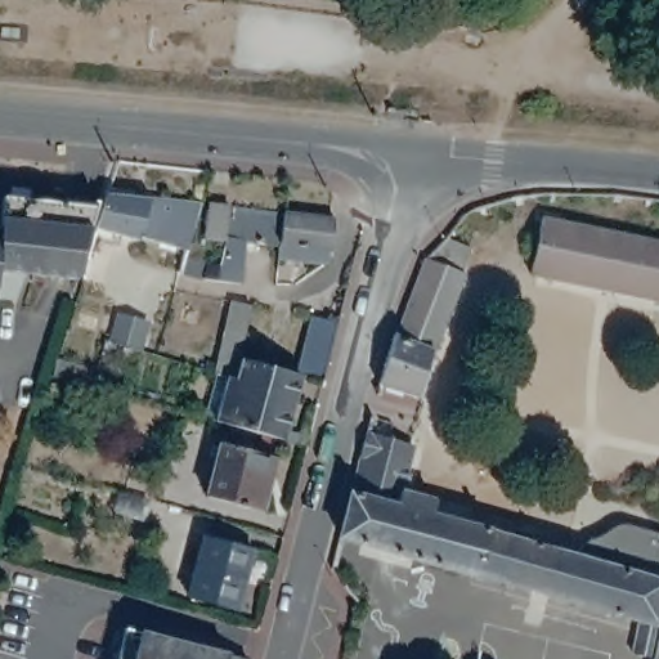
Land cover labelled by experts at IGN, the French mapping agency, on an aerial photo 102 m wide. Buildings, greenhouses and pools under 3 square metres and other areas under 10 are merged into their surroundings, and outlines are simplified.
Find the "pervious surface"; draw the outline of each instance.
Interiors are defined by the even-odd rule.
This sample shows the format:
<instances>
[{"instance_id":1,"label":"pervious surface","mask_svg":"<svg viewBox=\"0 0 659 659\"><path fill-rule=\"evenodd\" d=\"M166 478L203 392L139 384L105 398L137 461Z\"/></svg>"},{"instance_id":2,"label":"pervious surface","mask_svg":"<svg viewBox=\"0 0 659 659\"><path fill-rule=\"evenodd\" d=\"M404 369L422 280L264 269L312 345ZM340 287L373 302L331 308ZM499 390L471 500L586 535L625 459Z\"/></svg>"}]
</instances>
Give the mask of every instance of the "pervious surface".
<instances>
[{"instance_id":1,"label":"pervious surface","mask_svg":"<svg viewBox=\"0 0 659 659\"><path fill-rule=\"evenodd\" d=\"M265 72L242 70L232 62L237 51L239 15L247 5L327 18L342 15L342 0L0 0L0 23L15 21L28 26L26 44L3 44L5 57L75 64L88 62L118 67L206 75L209 80L219 82L255 82L265 80Z\"/></svg>"},{"instance_id":2,"label":"pervious surface","mask_svg":"<svg viewBox=\"0 0 659 659\"><path fill-rule=\"evenodd\" d=\"M39 80L0 80L0 98L502 144L505 126L515 108L515 98L533 88L546 88L556 93L566 106L584 103L628 111L636 103L641 116L659 121L659 100L644 88L618 85L610 75L610 62L597 59L589 51L589 36L584 26L597 18L600 0L561 0L538 23L520 26L512 31L474 31L469 26L456 26L443 28L432 41L409 46L404 51L386 51L371 44L368 49L373 62L366 64L366 75L360 75L358 80L363 85L386 85L394 93L404 88L435 90L443 88L448 80L471 93L489 90L497 95L497 111L484 124L404 121L399 108L386 106L376 106L376 113L368 113L363 106L340 103L304 106L278 103L268 98L201 98L175 90L139 93L111 85L77 80L72 85L49 85Z\"/></svg>"}]
</instances>

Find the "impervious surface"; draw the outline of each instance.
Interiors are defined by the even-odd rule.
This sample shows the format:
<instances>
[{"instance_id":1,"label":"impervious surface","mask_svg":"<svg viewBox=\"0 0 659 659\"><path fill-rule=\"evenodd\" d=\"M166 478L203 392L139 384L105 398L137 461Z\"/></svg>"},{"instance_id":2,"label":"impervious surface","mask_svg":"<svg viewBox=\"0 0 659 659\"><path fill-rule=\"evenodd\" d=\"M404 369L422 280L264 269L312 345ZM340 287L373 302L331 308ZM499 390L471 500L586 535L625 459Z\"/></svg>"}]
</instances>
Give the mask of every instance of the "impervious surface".
<instances>
[{"instance_id":1,"label":"impervious surface","mask_svg":"<svg viewBox=\"0 0 659 659\"><path fill-rule=\"evenodd\" d=\"M340 80L355 64L366 64L373 62L368 49L371 44L360 41L353 21L342 15L327 18L247 5L239 15L237 51L232 62L242 70L265 72L301 70L309 75L327 75Z\"/></svg>"},{"instance_id":2,"label":"impervious surface","mask_svg":"<svg viewBox=\"0 0 659 659\"><path fill-rule=\"evenodd\" d=\"M129 412L136 422L136 430L147 432L157 417L162 417L162 412L160 407L147 407L136 402L129 407Z\"/></svg>"},{"instance_id":3,"label":"impervious surface","mask_svg":"<svg viewBox=\"0 0 659 659\"><path fill-rule=\"evenodd\" d=\"M314 311L330 306L337 291L342 260L337 257L337 252L327 252L317 265L301 265L299 260L286 260L281 265L283 239L257 239L247 245L245 281L206 278L203 265L190 263L190 250L185 250L183 255L167 255L157 247L147 247L144 242L131 242L129 234L95 229L88 250L85 273L59 275L41 270L5 270L0 281L0 404L5 409L10 409L15 402L21 407L28 407L28 386L31 378L41 371L59 306L64 299L77 304L82 299L82 286L88 281L100 286L103 293L116 304L111 314L139 317L144 311L147 335L142 345L134 348L144 353L144 348L152 348L157 337L154 311L165 304L165 293L170 288L224 296L224 306L229 309L232 304L250 306L255 306L263 314L270 314L273 306L278 309L288 301L306 304Z\"/></svg>"},{"instance_id":4,"label":"impervious surface","mask_svg":"<svg viewBox=\"0 0 659 659\"><path fill-rule=\"evenodd\" d=\"M229 172L234 183L245 183L250 178L275 180L291 175L317 180L319 185L324 185L327 198L322 203L332 209L332 216L342 216L345 224L360 227L360 234L360 247L350 270L340 319L327 376L322 384L309 381L301 386L306 399L301 399L296 435L288 435L288 443L263 440L260 435L242 432L229 425L216 425L206 432L203 427L196 422L185 422L185 453L183 458L172 461L172 479L165 481L165 494L160 497L160 502L170 507L170 515L178 515L180 510L185 510L185 505L196 505L201 510L234 517L283 530L278 574L275 582L270 582L263 620L257 626L232 626L229 631L219 631L209 620L198 620L162 608L126 597L118 600L111 597L106 587L49 574L36 571L36 577L18 577L13 589L0 592L0 659L116 659L118 638L126 633L126 626L216 646L245 659L638 659L636 651L631 651L631 644L636 638L633 631L638 623L631 620L628 613L610 610L600 602L589 602L574 595L533 589L528 595L525 589L474 587L471 577L448 571L448 561L438 561L432 556L399 553L394 548L376 543L363 543L360 551L353 543L340 546L342 517L350 492L368 492L399 499L404 489L417 489L438 497L440 510L445 512L566 548L574 546L574 541L592 541L597 535L605 535L618 525L633 525L659 533L659 523L644 520L646 510L638 505L595 499L592 489L597 479L618 479L631 463L649 466L659 458L659 384L646 391L631 389L610 358L618 355L620 348L633 337L644 337L651 330L656 330L659 335L659 301L613 291L605 291L600 299L592 301L564 291L543 291L535 288L535 275L530 270L525 268L525 260L517 250L517 239L499 239L497 234L476 232L469 245L469 283L458 299L450 332L440 337L430 366L425 366L425 371L432 376L427 396L417 402L407 396L391 396L381 386L381 378L386 371L391 340L402 327L425 260L448 265L450 257L438 255L438 247L448 239L448 234L469 211L515 196L615 193L636 198L659 198L659 157L502 144L0 98L0 198L8 201L8 196L28 196L93 203L100 201L106 193L106 183L111 178L106 178L106 165L118 160L198 170L214 172ZM559 448L559 440L569 432L571 443L579 448L589 469L587 492L571 512L551 512L541 505L510 499L502 492L499 481L489 474L489 469L479 463L456 461L435 432L435 427L445 422L453 409L461 409L461 391L466 389L466 363L471 360L466 353L469 340L487 332L492 324L484 314L484 304L489 301L489 296L517 293L523 293L523 299L533 304L530 340L535 348L533 373L528 384L517 389L515 396L517 412L525 414L525 435L520 448L528 458L538 453L553 453ZM381 438L412 438L412 469L420 471L414 479L396 479L394 487L381 487L355 471L363 456L371 422L376 422L376 435ZM283 484L275 479L273 494L265 499L263 507L211 497L203 494L203 489L211 479L211 466L219 443L245 445L263 456L278 456L291 461L293 448L301 445L304 461L299 469L291 507L283 507ZM368 587L368 615L363 620L353 618L355 600L348 595L348 584L342 584L337 577L342 569L350 566L358 577L363 577Z\"/></svg>"},{"instance_id":5,"label":"impervious surface","mask_svg":"<svg viewBox=\"0 0 659 659\"><path fill-rule=\"evenodd\" d=\"M0 23L0 41L3 44L26 44L28 26L15 21Z\"/></svg>"}]
</instances>

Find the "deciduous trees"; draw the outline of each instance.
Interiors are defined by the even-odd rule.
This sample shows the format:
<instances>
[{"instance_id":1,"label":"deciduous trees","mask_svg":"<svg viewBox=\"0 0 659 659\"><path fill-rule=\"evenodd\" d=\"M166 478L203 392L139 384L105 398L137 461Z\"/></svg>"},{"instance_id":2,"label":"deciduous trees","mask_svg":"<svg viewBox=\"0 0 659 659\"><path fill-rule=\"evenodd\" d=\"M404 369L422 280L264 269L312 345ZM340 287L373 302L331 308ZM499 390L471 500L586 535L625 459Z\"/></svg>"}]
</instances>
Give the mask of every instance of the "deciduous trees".
<instances>
[{"instance_id":1,"label":"deciduous trees","mask_svg":"<svg viewBox=\"0 0 659 659\"><path fill-rule=\"evenodd\" d=\"M659 384L659 335L656 330L651 330L644 337L633 337L620 348L618 355L610 358L631 389L646 391Z\"/></svg>"},{"instance_id":2,"label":"deciduous trees","mask_svg":"<svg viewBox=\"0 0 659 659\"><path fill-rule=\"evenodd\" d=\"M556 93L546 88L533 88L515 98L515 108L520 113L533 113L556 121L556 108L566 106Z\"/></svg>"},{"instance_id":3,"label":"deciduous trees","mask_svg":"<svg viewBox=\"0 0 659 659\"><path fill-rule=\"evenodd\" d=\"M10 561L15 566L36 571L49 574L54 561L44 559L41 543L33 535Z\"/></svg>"},{"instance_id":4,"label":"deciduous trees","mask_svg":"<svg viewBox=\"0 0 659 659\"><path fill-rule=\"evenodd\" d=\"M291 188L299 185L291 175L275 180L273 196L278 206L293 201Z\"/></svg>"},{"instance_id":5,"label":"deciduous trees","mask_svg":"<svg viewBox=\"0 0 659 659\"><path fill-rule=\"evenodd\" d=\"M209 384L219 381L214 366L209 363L209 358L196 360L185 355L172 355L172 360L167 360L165 386L157 386L157 368L149 366L147 371L139 371L139 358L121 353L111 371L124 378L121 384L59 389L57 360L62 360L67 350L62 342L77 314L77 304L64 299L59 306L41 371L31 378L28 386L28 407L21 407L15 402L10 409L5 409L0 404L0 456L8 458L10 445L18 445L28 450L39 440L51 448L77 448L82 453L100 453L103 461L129 466L129 474L134 479L147 481L144 492L147 502L160 502L160 497L165 494L165 481L172 479L172 461L183 458L185 453L185 422L196 422L203 427L211 414L211 407L203 404L203 391ZM129 412L129 407L136 402L147 407L160 407L162 412L162 417L157 417L147 432L136 430L136 422Z\"/></svg>"},{"instance_id":6,"label":"deciduous trees","mask_svg":"<svg viewBox=\"0 0 659 659\"><path fill-rule=\"evenodd\" d=\"M355 600L353 618L363 620L368 615L368 587L363 577L358 577L350 566L342 569L337 577L342 584L348 584L348 595Z\"/></svg>"},{"instance_id":7,"label":"deciduous trees","mask_svg":"<svg viewBox=\"0 0 659 659\"><path fill-rule=\"evenodd\" d=\"M139 564L131 574L126 597L162 608L172 592L167 569L160 559L160 546L165 543L162 525L152 530L147 538L131 538L131 548L139 551Z\"/></svg>"},{"instance_id":8,"label":"deciduous trees","mask_svg":"<svg viewBox=\"0 0 659 659\"><path fill-rule=\"evenodd\" d=\"M59 461L46 461L49 476L70 484L85 484L85 476L72 471L70 466Z\"/></svg>"},{"instance_id":9,"label":"deciduous trees","mask_svg":"<svg viewBox=\"0 0 659 659\"><path fill-rule=\"evenodd\" d=\"M404 51L409 46L432 41L443 28L456 26L469 26L474 31L512 31L520 26L538 23L561 0L342 0L342 15L353 21L360 41L371 44L386 51Z\"/></svg>"},{"instance_id":10,"label":"deciduous trees","mask_svg":"<svg viewBox=\"0 0 659 659\"><path fill-rule=\"evenodd\" d=\"M569 432L559 440L559 448L553 453L538 453L528 458L520 448L525 435L525 414L517 412L515 396L517 389L528 384L533 373L535 348L530 340L533 304L523 299L523 293L517 293L489 296L489 301L484 304L484 314L492 324L487 332L469 340L466 353L471 360L466 363L466 389L461 391L461 409L453 409L445 422L435 427L435 432L456 461L479 463L489 469L489 474L499 481L502 492L510 499L541 505L551 512L571 512L587 492L589 469L579 448L571 443Z\"/></svg>"},{"instance_id":11,"label":"deciduous trees","mask_svg":"<svg viewBox=\"0 0 659 659\"><path fill-rule=\"evenodd\" d=\"M198 170L198 175L193 175L193 180L188 183L188 190L196 193L198 185L203 185L203 196L214 193L214 172Z\"/></svg>"},{"instance_id":12,"label":"deciduous trees","mask_svg":"<svg viewBox=\"0 0 659 659\"><path fill-rule=\"evenodd\" d=\"M589 51L597 59L610 62L610 75L618 85L644 88L659 100L659 0L600 0L597 18L584 26L589 36Z\"/></svg>"},{"instance_id":13,"label":"deciduous trees","mask_svg":"<svg viewBox=\"0 0 659 659\"><path fill-rule=\"evenodd\" d=\"M95 530L95 535L111 530L131 535L134 523L116 512L118 499L111 497L108 502L98 502L98 497L67 494L62 499L64 512L82 517L90 512L90 528Z\"/></svg>"}]
</instances>

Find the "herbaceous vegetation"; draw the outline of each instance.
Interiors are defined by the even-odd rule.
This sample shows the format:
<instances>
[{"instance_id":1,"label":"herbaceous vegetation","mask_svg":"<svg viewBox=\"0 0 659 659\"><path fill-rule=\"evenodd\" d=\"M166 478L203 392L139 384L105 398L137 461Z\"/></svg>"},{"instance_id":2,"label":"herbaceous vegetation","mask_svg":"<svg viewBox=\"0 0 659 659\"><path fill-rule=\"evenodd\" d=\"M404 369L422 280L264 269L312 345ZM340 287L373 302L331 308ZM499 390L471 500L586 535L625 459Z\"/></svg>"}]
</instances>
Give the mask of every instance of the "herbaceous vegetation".
<instances>
[{"instance_id":1,"label":"herbaceous vegetation","mask_svg":"<svg viewBox=\"0 0 659 659\"><path fill-rule=\"evenodd\" d=\"M250 330L247 337L234 345L234 353L227 368L221 371L224 376L237 376L242 360L273 363L288 371L299 368L309 335L309 324L304 322L314 317L314 311L306 304L288 301L278 309L273 306L270 314L263 314L255 306L250 306L255 330Z\"/></svg>"},{"instance_id":2,"label":"herbaceous vegetation","mask_svg":"<svg viewBox=\"0 0 659 659\"><path fill-rule=\"evenodd\" d=\"M476 232L497 234L499 239L517 239L517 232L525 227L530 232L530 247L538 250L541 224L546 216L659 239L659 198L636 198L615 193L515 196L469 211L448 234L448 239L469 245Z\"/></svg>"},{"instance_id":3,"label":"herbaceous vegetation","mask_svg":"<svg viewBox=\"0 0 659 659\"><path fill-rule=\"evenodd\" d=\"M3 44L0 41L0 80L39 80L49 85L72 85L77 80L72 77L75 64L5 57Z\"/></svg>"},{"instance_id":4,"label":"herbaceous vegetation","mask_svg":"<svg viewBox=\"0 0 659 659\"><path fill-rule=\"evenodd\" d=\"M36 571L15 566L10 561L5 559L0 564L0 592L13 589L18 577L36 577Z\"/></svg>"},{"instance_id":5,"label":"herbaceous vegetation","mask_svg":"<svg viewBox=\"0 0 659 659\"><path fill-rule=\"evenodd\" d=\"M59 461L70 466L72 471L85 476L85 484L70 484L49 476L46 461ZM67 494L98 497L98 502L108 502L111 497L116 481L144 492L147 481L134 479L129 474L129 466L103 461L100 453L82 453L77 448L51 448L39 440L28 450L21 479L21 505L54 517L62 517L64 512L62 499Z\"/></svg>"},{"instance_id":6,"label":"herbaceous vegetation","mask_svg":"<svg viewBox=\"0 0 659 659\"><path fill-rule=\"evenodd\" d=\"M265 80L255 82L219 82L209 80L206 75L118 67L116 80L111 85L139 93L175 90L201 98L268 98L278 103L304 106L340 103L363 106L368 113L376 113L376 106L386 106L399 108L404 121L484 124L497 111L497 95L489 90L471 93L448 80L443 88L435 90L404 88L394 93L386 85L363 85L358 80L360 75L366 75L366 64L355 64L340 80L327 75L309 75L301 70L265 72Z\"/></svg>"},{"instance_id":7,"label":"herbaceous vegetation","mask_svg":"<svg viewBox=\"0 0 659 659\"><path fill-rule=\"evenodd\" d=\"M533 113L520 113L515 108L505 126L502 144L659 157L659 121L641 116L636 103L628 111L584 103L566 106L556 108L556 121Z\"/></svg>"},{"instance_id":8,"label":"herbaceous vegetation","mask_svg":"<svg viewBox=\"0 0 659 659\"><path fill-rule=\"evenodd\" d=\"M291 175L299 185L291 188L293 201L322 203L327 198L324 185L319 185L317 180Z\"/></svg>"},{"instance_id":9,"label":"herbaceous vegetation","mask_svg":"<svg viewBox=\"0 0 659 659\"><path fill-rule=\"evenodd\" d=\"M152 190L160 183L167 183L167 188L175 193L188 190L188 183L193 180L193 175L198 175L198 170L118 160L106 165L106 178L111 178L106 183L106 193L139 193L144 185Z\"/></svg>"},{"instance_id":10,"label":"herbaceous vegetation","mask_svg":"<svg viewBox=\"0 0 659 659\"><path fill-rule=\"evenodd\" d=\"M203 252L214 245L214 239L206 234L206 227L214 203L234 198L242 203L260 203L268 209L278 206L273 196L275 180L250 178L245 183L234 183L229 172L214 172L214 193L203 196L203 185L198 185L196 193L196 196L203 198L203 206L193 242L185 250L190 250L190 263L203 265Z\"/></svg>"},{"instance_id":11,"label":"herbaceous vegetation","mask_svg":"<svg viewBox=\"0 0 659 659\"><path fill-rule=\"evenodd\" d=\"M18 445L10 445L8 458L0 456L0 499L8 487Z\"/></svg>"},{"instance_id":12,"label":"herbaceous vegetation","mask_svg":"<svg viewBox=\"0 0 659 659\"><path fill-rule=\"evenodd\" d=\"M172 355L185 355L196 360L209 358L209 363L214 366L221 353L229 309L224 306L224 296L170 288L165 293L165 304L154 311L157 337L152 348L144 348L144 353L167 360L172 360Z\"/></svg>"},{"instance_id":13,"label":"herbaceous vegetation","mask_svg":"<svg viewBox=\"0 0 659 659\"><path fill-rule=\"evenodd\" d=\"M95 530L90 528L90 512L82 517L85 535L70 538L51 533L46 528L31 528L33 535L41 543L44 559L54 561L113 577L121 577L124 571L131 574L139 564L139 551L131 548L131 538L147 538L152 530L162 525L165 543L160 546L160 559L167 569L172 592L185 592L185 587L193 579L201 541L206 535L224 538L257 551L263 548L263 543L275 543L275 535L255 530L242 533L232 523L234 517L201 510L196 505L185 505L185 510L180 510L178 515L170 515L170 507L160 502L147 502L154 515L134 523L131 535L111 530L95 535Z\"/></svg>"}]
</instances>

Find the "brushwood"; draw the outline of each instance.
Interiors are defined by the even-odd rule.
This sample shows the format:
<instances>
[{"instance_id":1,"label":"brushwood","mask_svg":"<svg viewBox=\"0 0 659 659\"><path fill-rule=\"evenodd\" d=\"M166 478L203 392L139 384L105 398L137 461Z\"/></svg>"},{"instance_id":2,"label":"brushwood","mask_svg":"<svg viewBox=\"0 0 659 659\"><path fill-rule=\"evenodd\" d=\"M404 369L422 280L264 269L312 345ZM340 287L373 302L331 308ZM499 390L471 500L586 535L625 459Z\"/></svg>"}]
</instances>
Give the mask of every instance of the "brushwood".
<instances>
[{"instance_id":1,"label":"brushwood","mask_svg":"<svg viewBox=\"0 0 659 659\"><path fill-rule=\"evenodd\" d=\"M188 190L175 193L167 188L167 183L160 183L152 190L144 185L139 193L175 201L193 201L196 196L196 193Z\"/></svg>"},{"instance_id":2,"label":"brushwood","mask_svg":"<svg viewBox=\"0 0 659 659\"><path fill-rule=\"evenodd\" d=\"M185 592L172 592L162 608L198 620L209 620L219 631L229 631L232 626L257 626L263 620L270 582L275 582L278 574L283 530L234 517L232 523L242 533L255 530L275 535L275 543L263 543L263 548L257 551L255 561L265 564L265 577L255 584L250 613L206 608L201 605L201 600Z\"/></svg>"},{"instance_id":3,"label":"brushwood","mask_svg":"<svg viewBox=\"0 0 659 659\"><path fill-rule=\"evenodd\" d=\"M618 479L597 479L592 489L595 499L638 505L646 510L644 520L659 523L659 458L649 466L631 463Z\"/></svg>"},{"instance_id":4,"label":"brushwood","mask_svg":"<svg viewBox=\"0 0 659 659\"><path fill-rule=\"evenodd\" d=\"M126 597L131 574L124 571L121 577L113 577L54 561L49 574L106 587L111 597L118 600Z\"/></svg>"},{"instance_id":5,"label":"brushwood","mask_svg":"<svg viewBox=\"0 0 659 659\"><path fill-rule=\"evenodd\" d=\"M275 479L283 484L283 507L291 507L299 469L304 461L301 445L293 448L291 461L278 456Z\"/></svg>"},{"instance_id":6,"label":"brushwood","mask_svg":"<svg viewBox=\"0 0 659 659\"><path fill-rule=\"evenodd\" d=\"M340 319L350 270L360 247L360 234L353 237L350 250L342 260L337 291L330 306L314 311L314 317Z\"/></svg>"},{"instance_id":7,"label":"brushwood","mask_svg":"<svg viewBox=\"0 0 659 659\"><path fill-rule=\"evenodd\" d=\"M116 80L118 67L88 62L75 64L72 77L77 80L111 85Z\"/></svg>"},{"instance_id":8,"label":"brushwood","mask_svg":"<svg viewBox=\"0 0 659 659\"><path fill-rule=\"evenodd\" d=\"M535 265L538 250L530 247L530 232L525 227L517 232L517 239L517 250L525 260L525 268L530 270Z\"/></svg>"},{"instance_id":9,"label":"brushwood","mask_svg":"<svg viewBox=\"0 0 659 659\"><path fill-rule=\"evenodd\" d=\"M54 517L21 505L21 479L28 450L18 445L8 487L0 499L0 564L5 559L10 561L33 535L31 528L46 528L51 533L70 538L85 535L82 517L64 512L62 517Z\"/></svg>"}]
</instances>

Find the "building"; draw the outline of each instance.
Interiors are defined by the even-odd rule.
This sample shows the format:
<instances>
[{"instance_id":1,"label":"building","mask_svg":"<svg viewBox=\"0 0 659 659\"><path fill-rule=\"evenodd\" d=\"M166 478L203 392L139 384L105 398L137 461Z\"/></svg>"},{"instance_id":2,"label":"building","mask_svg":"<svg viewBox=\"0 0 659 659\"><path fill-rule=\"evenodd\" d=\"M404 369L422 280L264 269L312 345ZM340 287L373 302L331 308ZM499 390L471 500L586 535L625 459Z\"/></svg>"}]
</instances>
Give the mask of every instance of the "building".
<instances>
[{"instance_id":1,"label":"building","mask_svg":"<svg viewBox=\"0 0 659 659\"><path fill-rule=\"evenodd\" d=\"M201 600L201 605L206 608L250 613L255 584L265 577L265 564L255 561L257 551L224 538L206 535L201 541L193 579L185 587L185 592Z\"/></svg>"},{"instance_id":2,"label":"building","mask_svg":"<svg viewBox=\"0 0 659 659\"><path fill-rule=\"evenodd\" d=\"M59 275L85 273L88 250L95 229L129 234L131 242L144 242L147 247L157 247L167 255L183 255L185 250L193 242L203 206L203 198L196 196L193 201L175 201L139 193L106 193L100 201L93 203L28 196L8 196L8 201L0 198L0 281L5 270L41 270Z\"/></svg>"},{"instance_id":3,"label":"building","mask_svg":"<svg viewBox=\"0 0 659 659\"><path fill-rule=\"evenodd\" d=\"M613 291L659 301L659 239L546 216L541 224L538 250L535 265L530 270L535 275L535 288L543 291L564 291L592 301L600 299L605 291Z\"/></svg>"},{"instance_id":4,"label":"building","mask_svg":"<svg viewBox=\"0 0 659 659\"><path fill-rule=\"evenodd\" d=\"M142 345L147 335L144 311L139 317L111 314L106 327L111 332L111 342L121 348L134 348Z\"/></svg>"},{"instance_id":5,"label":"building","mask_svg":"<svg viewBox=\"0 0 659 659\"><path fill-rule=\"evenodd\" d=\"M257 239L283 239L281 265L286 260L299 260L301 265L317 265L327 252L337 252L337 257L342 260L350 250L353 237L360 234L360 227L345 224L342 216L332 216L332 209L322 203L293 201L278 206L268 209L260 203L242 203L234 198L214 203L206 227L206 234L214 239L214 245L203 252L203 265L206 278L245 281L247 245Z\"/></svg>"},{"instance_id":6,"label":"building","mask_svg":"<svg viewBox=\"0 0 659 659\"><path fill-rule=\"evenodd\" d=\"M144 492L116 481L111 497L118 499L116 512L134 523L154 515L147 502Z\"/></svg>"},{"instance_id":7,"label":"building","mask_svg":"<svg viewBox=\"0 0 659 659\"><path fill-rule=\"evenodd\" d=\"M214 366L219 381L209 384L203 391L203 404L211 407L211 414L203 427L206 432L216 425L229 425L242 432L260 435L263 440L288 443L288 435L296 435L301 399L306 399L301 386L309 381L322 384L327 376L340 319L314 317L304 322L309 324L309 335L299 368L288 371L273 363L242 360L237 376L224 376L221 371L227 368L234 353L234 345L247 337L250 330L255 330L250 306L232 304L229 309L221 353Z\"/></svg>"},{"instance_id":8,"label":"building","mask_svg":"<svg viewBox=\"0 0 659 659\"><path fill-rule=\"evenodd\" d=\"M407 396L417 402L427 396L432 376L425 371L425 366L430 366L440 337L450 332L458 299L469 283L469 245L448 239L438 247L438 255L450 257L448 265L425 260L402 327L391 340L386 371L381 378L381 386L391 396Z\"/></svg>"},{"instance_id":9,"label":"building","mask_svg":"<svg viewBox=\"0 0 659 659\"><path fill-rule=\"evenodd\" d=\"M381 487L394 487L396 479L414 479L420 471L412 469L412 438L381 438L376 435L376 422L371 422L363 456L355 471Z\"/></svg>"},{"instance_id":10,"label":"building","mask_svg":"<svg viewBox=\"0 0 659 659\"><path fill-rule=\"evenodd\" d=\"M633 525L618 525L605 535L597 535L592 541L574 541L574 546L566 548L445 512L440 510L438 497L417 489L404 489L399 499L368 492L350 492L342 517L340 546L353 543L360 551L363 543L376 543L394 548L399 553L432 556L438 561L448 561L448 571L471 577L474 587L525 589L528 595L533 589L574 595L589 602L600 602L610 610L628 613L631 620L638 623L633 631L636 638L631 644L631 651L636 651L638 659L659 659L659 533Z\"/></svg>"},{"instance_id":11,"label":"building","mask_svg":"<svg viewBox=\"0 0 659 659\"><path fill-rule=\"evenodd\" d=\"M216 646L126 626L126 633L118 638L116 659L245 659Z\"/></svg>"},{"instance_id":12,"label":"building","mask_svg":"<svg viewBox=\"0 0 659 659\"><path fill-rule=\"evenodd\" d=\"M273 494L275 479L278 456L263 456L245 445L219 443L211 466L211 479L203 489L203 494L211 497L263 507L265 499Z\"/></svg>"}]
</instances>

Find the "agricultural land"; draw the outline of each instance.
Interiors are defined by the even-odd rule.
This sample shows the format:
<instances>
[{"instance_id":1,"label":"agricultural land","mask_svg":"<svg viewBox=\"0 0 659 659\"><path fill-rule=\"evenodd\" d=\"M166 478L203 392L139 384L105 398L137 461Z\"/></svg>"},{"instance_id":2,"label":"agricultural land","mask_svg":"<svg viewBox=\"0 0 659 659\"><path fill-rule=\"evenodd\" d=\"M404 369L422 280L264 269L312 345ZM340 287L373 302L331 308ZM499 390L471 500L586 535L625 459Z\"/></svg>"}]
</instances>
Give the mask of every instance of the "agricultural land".
<instances>
[{"instance_id":1,"label":"agricultural land","mask_svg":"<svg viewBox=\"0 0 659 659\"><path fill-rule=\"evenodd\" d=\"M82 286L82 299L77 304L77 314L62 342L67 350L62 360L57 360L59 389L121 384L124 378L111 371L121 353L139 358L139 371L147 371L149 366L157 368L157 386L165 386L167 360L144 353L134 348L121 348L111 342L111 332L106 327L111 314L116 304L103 293L100 286L88 281Z\"/></svg>"}]
</instances>

